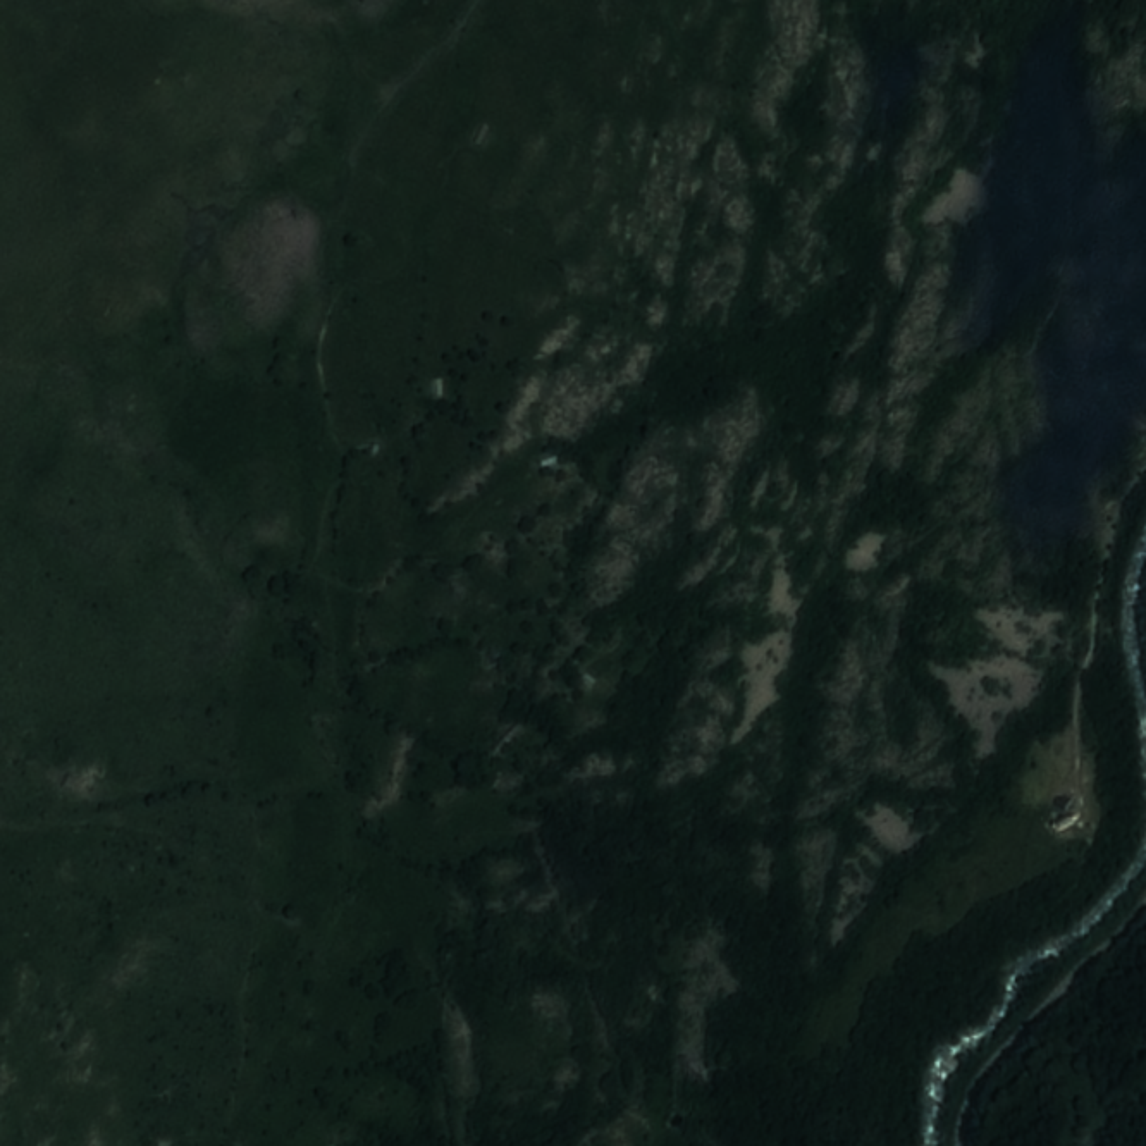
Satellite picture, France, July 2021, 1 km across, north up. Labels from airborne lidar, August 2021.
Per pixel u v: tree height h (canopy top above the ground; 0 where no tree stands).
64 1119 0
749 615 8
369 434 0
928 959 8
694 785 6
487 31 0
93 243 0
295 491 0
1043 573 7
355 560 0
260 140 0
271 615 6
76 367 0
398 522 0
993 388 7
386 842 10
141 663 0
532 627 11
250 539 0
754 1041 14
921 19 7
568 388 0
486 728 0
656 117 0
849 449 8
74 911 0
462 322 0
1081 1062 16
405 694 0
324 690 0
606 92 0
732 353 8
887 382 7
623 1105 9
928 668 7
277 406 0
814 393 6
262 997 0
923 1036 26
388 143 0
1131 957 13
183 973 0
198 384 0
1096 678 12
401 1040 0
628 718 10
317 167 0
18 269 0
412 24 0
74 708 0
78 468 0
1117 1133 15
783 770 6
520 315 0
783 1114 16
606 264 0
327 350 0
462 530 0
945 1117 8
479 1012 7
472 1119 10
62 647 0
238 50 0
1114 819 12
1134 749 13
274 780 0
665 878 9
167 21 0
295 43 0
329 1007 0
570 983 9
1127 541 14
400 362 0
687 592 8
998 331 19
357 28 0
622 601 9
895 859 15
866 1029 13
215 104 0
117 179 0
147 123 0
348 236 8
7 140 0
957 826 9
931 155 6
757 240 6
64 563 0
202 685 0
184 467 0
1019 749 11
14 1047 0
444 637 8
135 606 0
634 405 6
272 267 0
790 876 10
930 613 13
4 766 0
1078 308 12
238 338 0
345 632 0
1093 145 9
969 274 13
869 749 6
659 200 0
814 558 10
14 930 0
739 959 19
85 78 0
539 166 0
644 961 14
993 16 13
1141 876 10
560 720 7
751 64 0
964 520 7
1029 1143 11
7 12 0
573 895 7
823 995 8
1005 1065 12
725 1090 20
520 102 0
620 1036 9
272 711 0
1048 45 10
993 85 17
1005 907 17
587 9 0
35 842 0
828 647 7
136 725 0
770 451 8
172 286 0
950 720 20
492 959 16
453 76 0
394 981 13
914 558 11
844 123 0
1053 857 0
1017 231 8
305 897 0
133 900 0
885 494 12
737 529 8
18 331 0
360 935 0
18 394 0
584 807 13
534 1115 8
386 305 0
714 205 0
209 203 0
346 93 0
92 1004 0
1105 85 9
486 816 0
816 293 6
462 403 9
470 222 0
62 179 0
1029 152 6
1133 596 0
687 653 8
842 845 12
